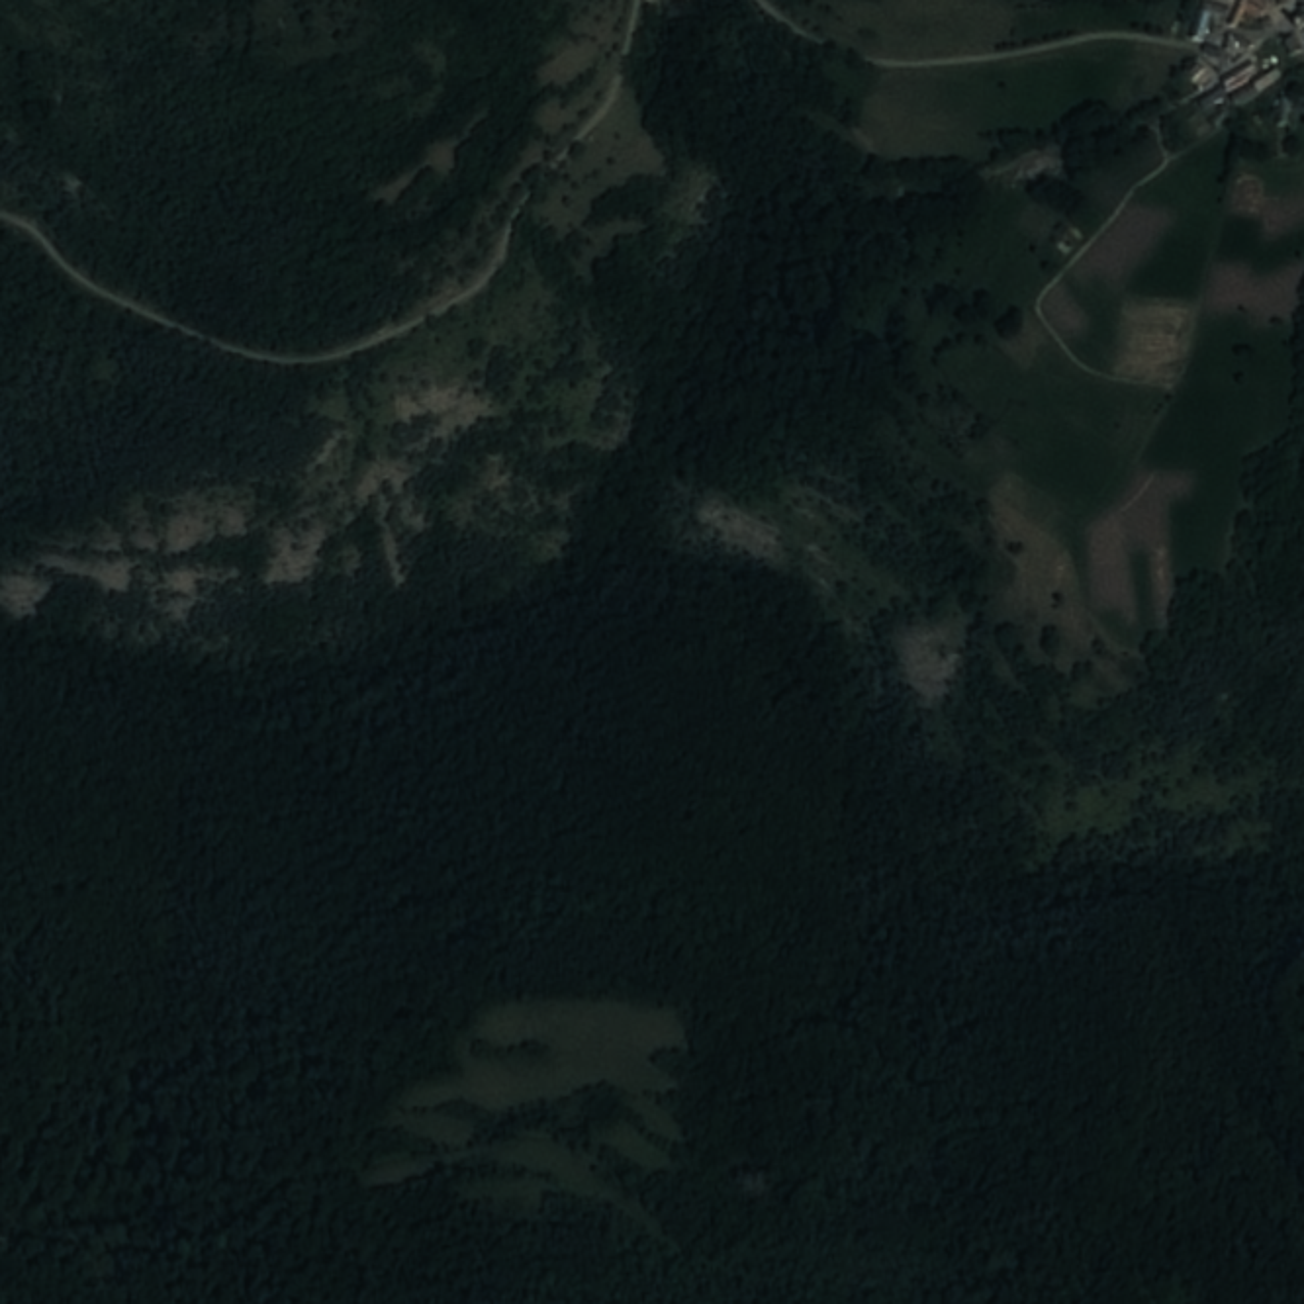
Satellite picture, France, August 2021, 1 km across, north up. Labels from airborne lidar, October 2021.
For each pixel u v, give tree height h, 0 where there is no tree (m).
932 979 26
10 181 7
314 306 9
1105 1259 12
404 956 24
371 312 7
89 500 10
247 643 13
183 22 10
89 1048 21
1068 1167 25
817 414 21
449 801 19
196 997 27
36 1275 22
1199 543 0
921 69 0
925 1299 10
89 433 10
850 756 28
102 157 9
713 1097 17
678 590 27
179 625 6
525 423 12
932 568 8
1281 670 9
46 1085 26
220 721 21
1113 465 0
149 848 22
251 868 22
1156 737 8
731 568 15
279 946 21
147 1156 6
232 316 14
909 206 17
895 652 6
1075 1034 20
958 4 0
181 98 8
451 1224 8
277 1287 15
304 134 11
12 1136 16
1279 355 0
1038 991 24
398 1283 10
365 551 6
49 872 23
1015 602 0
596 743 19
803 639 20
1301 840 21
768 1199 12
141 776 21
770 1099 19
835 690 21
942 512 9
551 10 6
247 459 16
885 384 17
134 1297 23
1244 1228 25
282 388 12
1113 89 0
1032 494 0
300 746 24
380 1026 19
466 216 11
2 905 24
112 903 25
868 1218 20
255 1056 24
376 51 7
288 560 0
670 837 18
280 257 13
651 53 9
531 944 11
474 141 13
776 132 12
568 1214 11
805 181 18
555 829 17
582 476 11
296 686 24
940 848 11
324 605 14
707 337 25
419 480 6
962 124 0
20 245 8
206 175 11
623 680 20
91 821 24
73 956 22
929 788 14
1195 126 0
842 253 21
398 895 24
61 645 15
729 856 19
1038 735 7
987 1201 17
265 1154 15
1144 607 0
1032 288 0
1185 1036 19
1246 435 0
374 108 8
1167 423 0
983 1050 23
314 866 25
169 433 16
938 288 0
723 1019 11
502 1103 0
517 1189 0
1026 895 22
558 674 24
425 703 21
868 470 9
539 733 22
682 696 21
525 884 14
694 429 18
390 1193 9
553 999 11
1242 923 14
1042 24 0
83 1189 19
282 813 27
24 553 11
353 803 23
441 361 0
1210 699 11
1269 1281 29
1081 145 18
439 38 6
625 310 11
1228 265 0
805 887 24
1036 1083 20
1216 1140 23
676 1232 12
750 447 13
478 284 0
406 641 22
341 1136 14
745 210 22
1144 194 0
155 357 17
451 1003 19
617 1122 7
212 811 23
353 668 22
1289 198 0
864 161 14
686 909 11
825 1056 26
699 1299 13
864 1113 21
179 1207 22
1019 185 0
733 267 27
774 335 27
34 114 14
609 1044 0
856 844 27
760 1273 12
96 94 6
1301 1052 6
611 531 25
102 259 9
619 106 0
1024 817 11
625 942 13
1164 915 26
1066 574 0
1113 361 0
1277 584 15
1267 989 22
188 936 26
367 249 13
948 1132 20
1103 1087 20
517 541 6
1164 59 0
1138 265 0
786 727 29
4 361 8
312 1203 7
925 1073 20
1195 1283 24
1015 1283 14
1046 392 0
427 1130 0
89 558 9
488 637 22
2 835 24
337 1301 7
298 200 10
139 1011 26
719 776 20
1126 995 22
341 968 22
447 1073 7
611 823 19
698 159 11
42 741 23
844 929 18
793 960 21
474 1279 12
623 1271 6
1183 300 0
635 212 7
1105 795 7
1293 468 17
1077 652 0
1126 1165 32
